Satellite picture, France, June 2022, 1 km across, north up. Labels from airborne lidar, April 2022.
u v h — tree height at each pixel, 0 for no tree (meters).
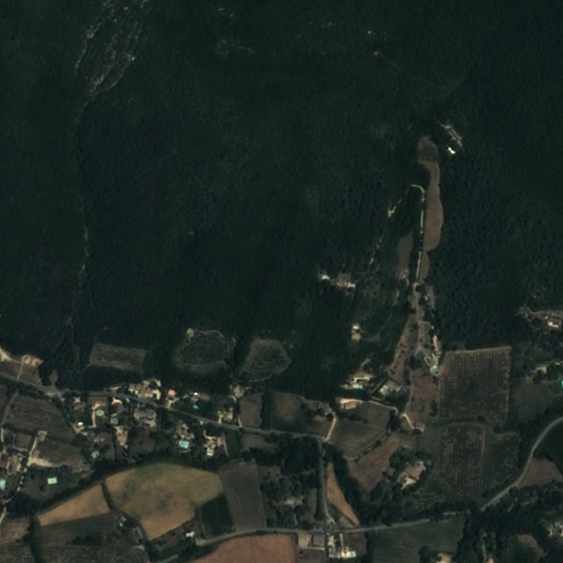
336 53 8
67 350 15
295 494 13
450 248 8
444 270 8
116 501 0
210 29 7
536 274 8
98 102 7
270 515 0
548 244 10
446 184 10
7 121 10
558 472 0
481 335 11
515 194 8
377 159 6
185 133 7
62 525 0
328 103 9
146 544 10
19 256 7
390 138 8
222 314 9
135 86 8
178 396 8
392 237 9
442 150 10
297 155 8
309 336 9
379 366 13
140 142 7
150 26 6
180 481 0
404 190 10
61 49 8
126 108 9
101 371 9
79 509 0
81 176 9
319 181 8
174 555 0
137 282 8
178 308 12
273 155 8
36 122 12
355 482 10
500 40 11
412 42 9
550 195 8
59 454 0
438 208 0
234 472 0
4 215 7
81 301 12
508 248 8
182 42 6
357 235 13
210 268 11
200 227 9
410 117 7
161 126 9
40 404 0
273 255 12
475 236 13
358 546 0
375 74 9
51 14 9
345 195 9
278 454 7
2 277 8
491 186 5
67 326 6
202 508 0
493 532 14
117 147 8
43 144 8
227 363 13
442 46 8
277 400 0
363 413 0
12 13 7
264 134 8
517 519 18
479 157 8
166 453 8
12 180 7
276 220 7
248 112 8
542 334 11
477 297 11
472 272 9
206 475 0
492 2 6
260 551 0
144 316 9
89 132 9
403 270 0
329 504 0
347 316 8
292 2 7
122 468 7
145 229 7
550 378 17
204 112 6
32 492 0
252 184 9
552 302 8
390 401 14
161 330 10
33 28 6
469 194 7
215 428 7
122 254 10
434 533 0
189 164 7
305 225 10
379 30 7
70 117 6
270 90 7
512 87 9
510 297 13
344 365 7
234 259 9
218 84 8
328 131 9
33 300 5
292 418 0
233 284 8
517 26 9
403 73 6
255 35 9
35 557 8
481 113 7
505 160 7
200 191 7
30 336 6
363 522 9
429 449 0
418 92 6
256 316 9
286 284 7
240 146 8
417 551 0
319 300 14
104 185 9
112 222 11
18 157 6
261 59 6
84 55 6
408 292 13
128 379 16
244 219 7
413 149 11
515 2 9
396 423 14
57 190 10
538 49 7
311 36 6
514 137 10
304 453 19
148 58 6
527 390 0
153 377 11
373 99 9
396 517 22
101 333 6
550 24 10
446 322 6
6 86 10
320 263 8
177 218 10
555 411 7
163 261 7
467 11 9
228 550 0
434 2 8
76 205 7
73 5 9
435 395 0
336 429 0
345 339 10
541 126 8
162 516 0
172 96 6
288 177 10
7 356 0
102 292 8
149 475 0
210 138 7
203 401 12
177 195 8
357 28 7
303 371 9
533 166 10
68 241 9
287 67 8
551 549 10
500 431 14
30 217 7
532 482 0
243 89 8
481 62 7
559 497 19
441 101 8
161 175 7
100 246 14
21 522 0
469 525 15
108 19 7
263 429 15
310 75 7
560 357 15
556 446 0
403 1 7
